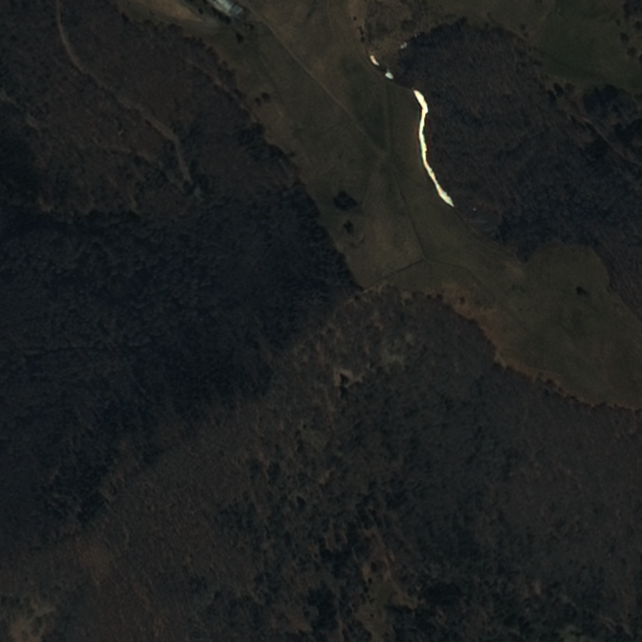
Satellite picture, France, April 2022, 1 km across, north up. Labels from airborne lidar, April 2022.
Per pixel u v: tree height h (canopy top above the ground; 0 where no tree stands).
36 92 25
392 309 21
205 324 15
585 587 19
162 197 26
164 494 23
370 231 0
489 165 20
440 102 11
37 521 14
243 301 15
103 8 20
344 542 16
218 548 27
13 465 20
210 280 24
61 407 20
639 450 15
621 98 16
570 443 17
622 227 24
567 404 14
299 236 12
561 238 13
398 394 27
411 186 0
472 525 20
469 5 0
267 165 20
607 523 16
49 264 22
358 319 14
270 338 15
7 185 15
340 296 14
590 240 15
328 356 28
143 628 11
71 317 29
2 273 30
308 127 0
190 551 28
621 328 0
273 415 20
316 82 0
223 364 15
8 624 21
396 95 0
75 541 16
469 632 27
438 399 23
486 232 0
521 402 17
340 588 17
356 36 0
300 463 28
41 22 25
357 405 32
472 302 0
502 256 0
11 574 11
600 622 14
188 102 13
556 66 0
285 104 0
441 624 32
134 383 13
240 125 24
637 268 21
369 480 28
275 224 21
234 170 23
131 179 26
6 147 16
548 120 23
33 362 14
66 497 17
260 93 0
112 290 13
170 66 25
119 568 19
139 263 24
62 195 17
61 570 16
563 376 0
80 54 21
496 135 27
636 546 17
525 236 14
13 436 19
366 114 0
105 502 18
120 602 22
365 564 28
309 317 16
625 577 15
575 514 17
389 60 0
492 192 19
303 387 25
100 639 15
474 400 17
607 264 11
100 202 29
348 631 12
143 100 19
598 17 0
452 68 23
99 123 26
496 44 24
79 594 18
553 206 21
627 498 12
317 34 0
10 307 28
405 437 33
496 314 0
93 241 29
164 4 0
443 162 17
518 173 21
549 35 0
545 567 20
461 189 11
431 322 16
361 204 0
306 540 25
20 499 14
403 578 22
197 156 13
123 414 13
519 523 21
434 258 0
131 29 16
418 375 26
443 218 0
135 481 20
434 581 23
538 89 20
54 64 27
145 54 24
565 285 0
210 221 18
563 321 0
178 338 14
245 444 27
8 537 14
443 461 22
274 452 23
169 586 29
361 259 0
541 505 24
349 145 0
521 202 25
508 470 18
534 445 16
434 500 24
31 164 15
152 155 18
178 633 19
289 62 0
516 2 0
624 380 0
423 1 7
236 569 23
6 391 21
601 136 9
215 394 13
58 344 23
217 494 32
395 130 0
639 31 19
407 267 0
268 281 15
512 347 0
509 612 22
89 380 14
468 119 18
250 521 15
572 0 0
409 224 0
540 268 0
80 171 27
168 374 14
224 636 31
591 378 0
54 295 31
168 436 15
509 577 22
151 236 25
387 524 18
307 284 14
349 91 0
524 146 17
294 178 10
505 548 20
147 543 27
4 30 28
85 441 11
